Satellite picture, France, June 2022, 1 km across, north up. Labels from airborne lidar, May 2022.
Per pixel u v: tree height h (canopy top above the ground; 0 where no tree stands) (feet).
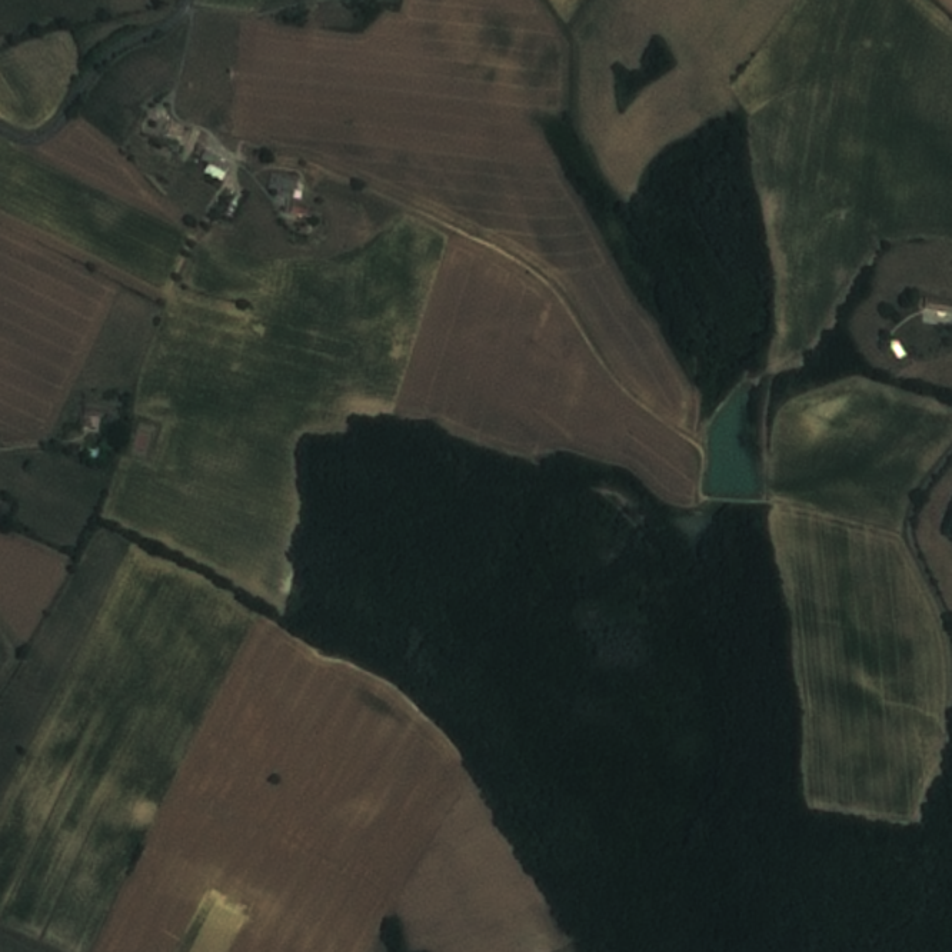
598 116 0
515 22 0
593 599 24
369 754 0
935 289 0
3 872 0
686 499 0
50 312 0
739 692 59
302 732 0
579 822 52
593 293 0
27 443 0
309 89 0
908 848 52
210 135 0
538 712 22
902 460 0
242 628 0
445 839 0
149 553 39
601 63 0
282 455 0
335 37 0
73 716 0
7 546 0
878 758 0
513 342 0
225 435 0
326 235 0
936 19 0
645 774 36
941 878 52
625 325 0
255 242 0
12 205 0
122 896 0
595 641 43
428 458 51
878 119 0
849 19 0
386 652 38
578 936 23
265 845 0
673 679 29
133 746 0
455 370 0
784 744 48
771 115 0
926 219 0
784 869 47
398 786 0
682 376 0
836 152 0
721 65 0
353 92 0
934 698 0
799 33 0
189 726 0
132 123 0
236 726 0
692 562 54
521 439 0
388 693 0
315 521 43
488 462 55
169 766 0
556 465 48
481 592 18
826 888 48
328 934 0
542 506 27
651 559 49
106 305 0
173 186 0
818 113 0
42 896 0
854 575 0
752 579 68
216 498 0
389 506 66
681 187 28
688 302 46
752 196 58
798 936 67
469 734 40
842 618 0
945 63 0
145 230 0
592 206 30
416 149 0
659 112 0
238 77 0
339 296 0
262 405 0
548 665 26
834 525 0
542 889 37
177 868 0
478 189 0
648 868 47
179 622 0
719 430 0
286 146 0
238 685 0
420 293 0
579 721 21
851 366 42
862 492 0
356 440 50
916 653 0
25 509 0
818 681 0
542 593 31
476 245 0
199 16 0
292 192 0
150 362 0
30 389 0
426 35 0
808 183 0
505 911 0
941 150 0
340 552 57
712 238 50
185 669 0
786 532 0
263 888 0
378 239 0
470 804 0
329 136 0
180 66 0
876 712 0
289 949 0
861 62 0
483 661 23
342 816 0
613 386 0
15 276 0
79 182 0
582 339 0
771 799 52
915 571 0
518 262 0
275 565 0
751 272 52
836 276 0
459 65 0
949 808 67
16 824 0
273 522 0
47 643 0
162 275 0
